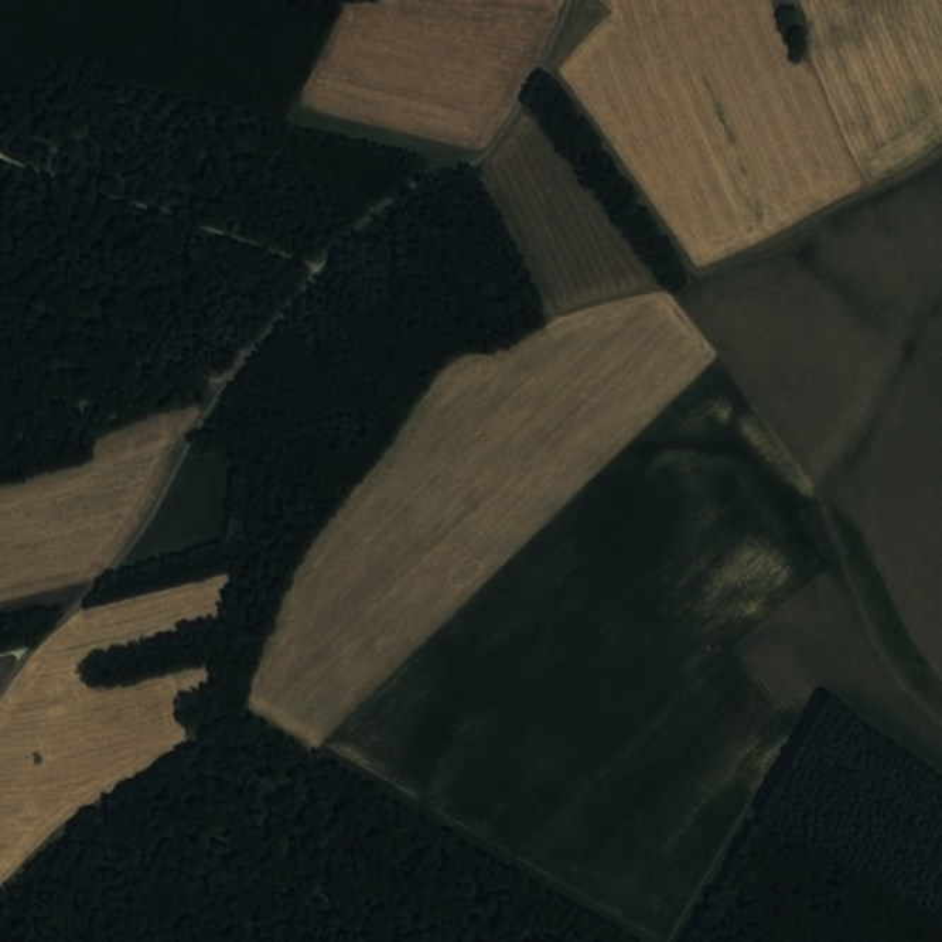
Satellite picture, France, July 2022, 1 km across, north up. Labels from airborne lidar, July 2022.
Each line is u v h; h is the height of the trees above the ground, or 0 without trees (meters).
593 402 0
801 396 0
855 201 0
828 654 0
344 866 26
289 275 26
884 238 0
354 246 29
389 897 28
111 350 26
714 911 26
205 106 29
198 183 28
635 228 18
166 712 0
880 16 0
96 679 22
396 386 19
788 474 0
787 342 0
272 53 19
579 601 0
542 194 0
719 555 0
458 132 0
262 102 16
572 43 0
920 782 34
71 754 0
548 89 21
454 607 0
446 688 0
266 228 27
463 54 0
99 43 10
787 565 0
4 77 11
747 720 0
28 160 29
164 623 0
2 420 28
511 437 0
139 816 27
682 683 0
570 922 23
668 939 0
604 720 0
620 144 0
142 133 28
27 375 28
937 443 0
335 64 0
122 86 8
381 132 0
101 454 0
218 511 0
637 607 0
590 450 0
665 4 0
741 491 0
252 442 21
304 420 18
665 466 0
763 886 29
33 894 15
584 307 0
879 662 0
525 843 0
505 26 0
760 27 0
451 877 28
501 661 0
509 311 24
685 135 0
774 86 0
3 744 0
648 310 0
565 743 0
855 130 0
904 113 0
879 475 0
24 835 0
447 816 0
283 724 0
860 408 0
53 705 0
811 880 29
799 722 0
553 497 0
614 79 0
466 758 0
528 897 27
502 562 0
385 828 26
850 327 0
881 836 31
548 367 0
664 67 0
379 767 0
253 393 17
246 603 27
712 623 0
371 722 0
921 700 0
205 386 21
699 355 0
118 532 0
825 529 0
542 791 0
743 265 0
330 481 16
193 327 22
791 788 33
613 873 0
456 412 0
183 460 0
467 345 16
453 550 0
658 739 0
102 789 0
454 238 24
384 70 0
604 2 0
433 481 0
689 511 0
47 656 0
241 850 26
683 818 0
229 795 29
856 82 0
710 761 0
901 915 29
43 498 0
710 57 0
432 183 22
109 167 28
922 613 0
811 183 0
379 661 0
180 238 25
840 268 0
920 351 0
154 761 0
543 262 0
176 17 13
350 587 0
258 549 17
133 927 28
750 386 0
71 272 32
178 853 30
